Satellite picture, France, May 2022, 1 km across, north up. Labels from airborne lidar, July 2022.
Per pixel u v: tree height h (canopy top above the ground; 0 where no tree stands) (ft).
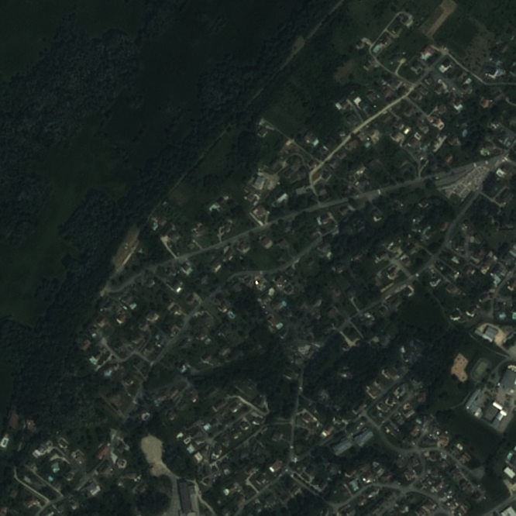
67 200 0
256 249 21
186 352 35
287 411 41
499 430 0
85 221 70
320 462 52
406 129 0
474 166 0
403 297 20
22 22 0
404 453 0
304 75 18
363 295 30
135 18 0
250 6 0
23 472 41
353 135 32
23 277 0
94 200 65
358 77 0
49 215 0
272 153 44
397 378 0
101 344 0
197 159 58
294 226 42
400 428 44
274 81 28
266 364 30
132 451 50
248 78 68
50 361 32
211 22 0
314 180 0
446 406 0
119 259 0
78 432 64
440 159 63
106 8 0
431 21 0
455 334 57
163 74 0
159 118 0
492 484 0
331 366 0
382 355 48
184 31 0
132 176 0
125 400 0
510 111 22
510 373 0
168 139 20
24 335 45
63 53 81
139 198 88
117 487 36
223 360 23
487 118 48
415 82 0
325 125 19
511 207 0
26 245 0
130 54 59
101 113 43
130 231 0
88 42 86
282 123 0
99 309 29
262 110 20
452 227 0
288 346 0
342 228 61
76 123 62
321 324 27
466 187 0
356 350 66
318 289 23
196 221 28
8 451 0
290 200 39
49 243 0
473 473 0
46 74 84
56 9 0
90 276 57
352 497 0
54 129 77
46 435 28
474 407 0
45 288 21
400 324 44
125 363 35
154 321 0
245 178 29
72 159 0
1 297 0
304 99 37
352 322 24
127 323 21
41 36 0
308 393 49
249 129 42
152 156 0
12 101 69
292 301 22
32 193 77
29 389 40
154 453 0
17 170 70
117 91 67
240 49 0
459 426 0
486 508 0
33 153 70
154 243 42
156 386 0
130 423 54
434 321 0
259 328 65
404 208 0
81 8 0
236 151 31
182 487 0
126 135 0
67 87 86
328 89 21
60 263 0
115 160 0
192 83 0
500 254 30
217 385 52
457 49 0
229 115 27
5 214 47
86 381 33
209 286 20
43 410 60
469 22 0
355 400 63
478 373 0
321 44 29
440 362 76
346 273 42
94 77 96
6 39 0
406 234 24
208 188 35
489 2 0
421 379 36
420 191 38
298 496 43
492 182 55
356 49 24
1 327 50
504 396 0
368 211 41
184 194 0
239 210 62
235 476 28
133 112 0
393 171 30
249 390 0
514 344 24
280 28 37
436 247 51
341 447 0
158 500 73
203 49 0
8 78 0
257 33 0
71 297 59
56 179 0
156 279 39
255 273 0
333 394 67
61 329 46
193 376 28
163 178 58
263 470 46
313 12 52
